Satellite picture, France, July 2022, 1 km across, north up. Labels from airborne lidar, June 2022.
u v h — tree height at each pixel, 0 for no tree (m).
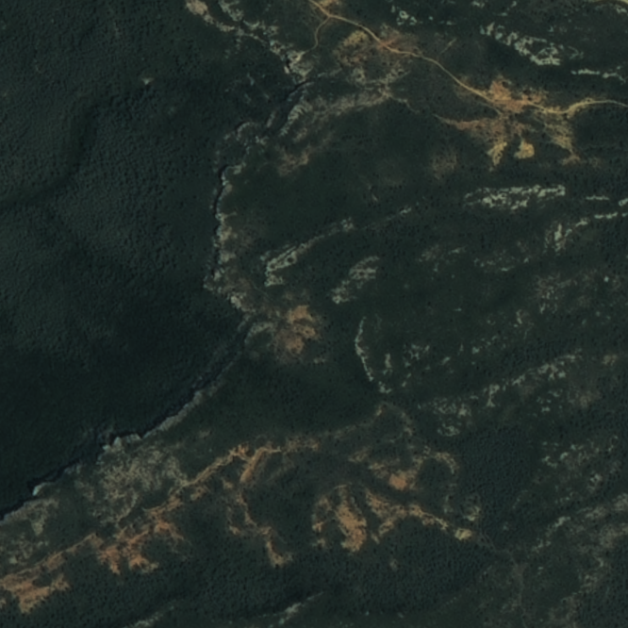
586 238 0
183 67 13
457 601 0
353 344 0
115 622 6
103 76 8
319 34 0
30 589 0
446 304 0
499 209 0
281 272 0
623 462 7
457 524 0
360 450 0
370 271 0
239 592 8
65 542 8
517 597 0
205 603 8
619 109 9
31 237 10
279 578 5
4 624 9
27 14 11
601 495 7
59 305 8
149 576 8
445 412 0
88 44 10
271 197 0
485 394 0
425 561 8
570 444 0
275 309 0
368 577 6
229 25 0
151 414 9
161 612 0
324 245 0
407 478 0
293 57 0
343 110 0
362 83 0
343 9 0
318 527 0
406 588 6
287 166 0
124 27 8
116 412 8
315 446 0
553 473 0
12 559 0
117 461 0
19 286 9
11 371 7
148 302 6
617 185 8
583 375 0
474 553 6
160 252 12
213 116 6
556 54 0
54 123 7
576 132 0
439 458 0
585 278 0
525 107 0
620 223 8
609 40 0
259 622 0
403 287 0
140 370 7
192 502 7
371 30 0
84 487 0
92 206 10
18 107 12
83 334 5
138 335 6
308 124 0
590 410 6
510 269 0
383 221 0
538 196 0
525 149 0
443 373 0
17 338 11
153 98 12
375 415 0
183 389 7
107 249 11
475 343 0
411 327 0
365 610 6
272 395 8
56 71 12
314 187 0
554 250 0
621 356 0
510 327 0
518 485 10
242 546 7
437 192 0
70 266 7
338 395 0
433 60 0
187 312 10
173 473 0
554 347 8
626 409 9
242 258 7
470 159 0
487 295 0
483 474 9
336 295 0
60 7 10
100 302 8
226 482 0
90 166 10
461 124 0
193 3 0
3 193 9
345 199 6
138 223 10
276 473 0
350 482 0
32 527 0
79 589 7
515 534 6
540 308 0
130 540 0
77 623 9
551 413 0
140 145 9
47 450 9
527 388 0
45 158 9
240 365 7
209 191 0
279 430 0
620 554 9
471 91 0
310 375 0
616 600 8
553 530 0
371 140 7
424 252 0
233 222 0
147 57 6
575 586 0
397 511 0
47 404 7
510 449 8
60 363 7
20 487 9
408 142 0
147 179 8
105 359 8
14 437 7
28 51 8
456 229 0
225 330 6
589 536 0
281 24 0
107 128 9
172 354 7
